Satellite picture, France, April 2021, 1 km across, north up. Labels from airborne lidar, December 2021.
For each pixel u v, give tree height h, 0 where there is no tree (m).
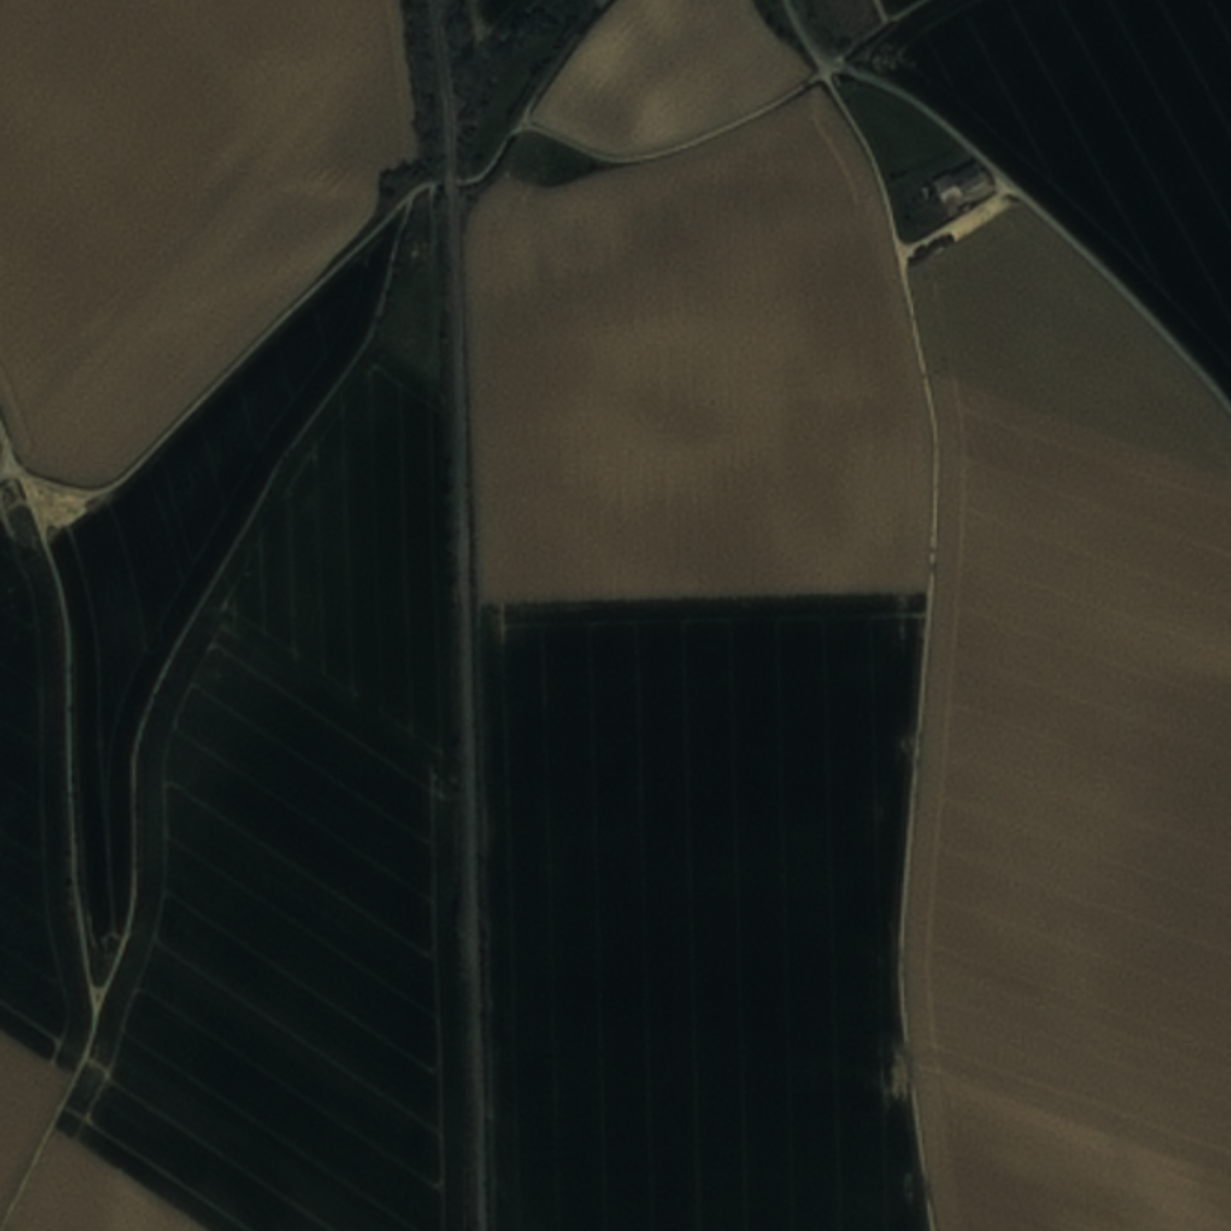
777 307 0
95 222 0
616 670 0
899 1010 0
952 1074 0
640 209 0
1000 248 0
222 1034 0
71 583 0
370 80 0
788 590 0
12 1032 0
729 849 0
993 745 0
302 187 0
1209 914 0
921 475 0
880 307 0
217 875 0
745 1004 0
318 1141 0
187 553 0
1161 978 0
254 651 0
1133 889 0
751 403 0
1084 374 0
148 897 0
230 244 0
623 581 0
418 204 0
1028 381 0
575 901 0
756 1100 0
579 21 9
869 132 0
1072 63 0
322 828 0
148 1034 0
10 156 0
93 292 0
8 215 0
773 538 0
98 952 0
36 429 0
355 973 0
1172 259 0
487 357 0
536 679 0
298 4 0
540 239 0
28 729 0
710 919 0
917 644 0
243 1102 0
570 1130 0
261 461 0
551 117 0
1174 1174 0
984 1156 0
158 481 0
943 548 0
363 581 0
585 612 0
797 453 0
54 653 0
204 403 0
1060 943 0
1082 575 0
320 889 0
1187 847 0
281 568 0
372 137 0
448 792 0
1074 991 0
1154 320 0
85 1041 0
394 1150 0
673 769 0
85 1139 0
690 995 0
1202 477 0
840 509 0
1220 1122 0
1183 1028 0
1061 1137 0
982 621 0
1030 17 0
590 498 0
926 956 0
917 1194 0
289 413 0
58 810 0
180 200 0
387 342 0
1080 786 0
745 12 0
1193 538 0
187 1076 0
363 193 0
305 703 0
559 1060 0
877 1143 0
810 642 0
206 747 0
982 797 0
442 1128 0
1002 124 0
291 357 0
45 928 0
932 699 0
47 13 0
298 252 0
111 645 0
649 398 0
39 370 0
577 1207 0
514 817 0
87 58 0
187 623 0
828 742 0
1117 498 0
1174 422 0
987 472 0
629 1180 0
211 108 0
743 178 0
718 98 0
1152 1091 0
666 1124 0
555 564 0
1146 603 0
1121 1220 0
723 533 0
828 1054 0
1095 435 0
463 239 0
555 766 0
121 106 0
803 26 0
